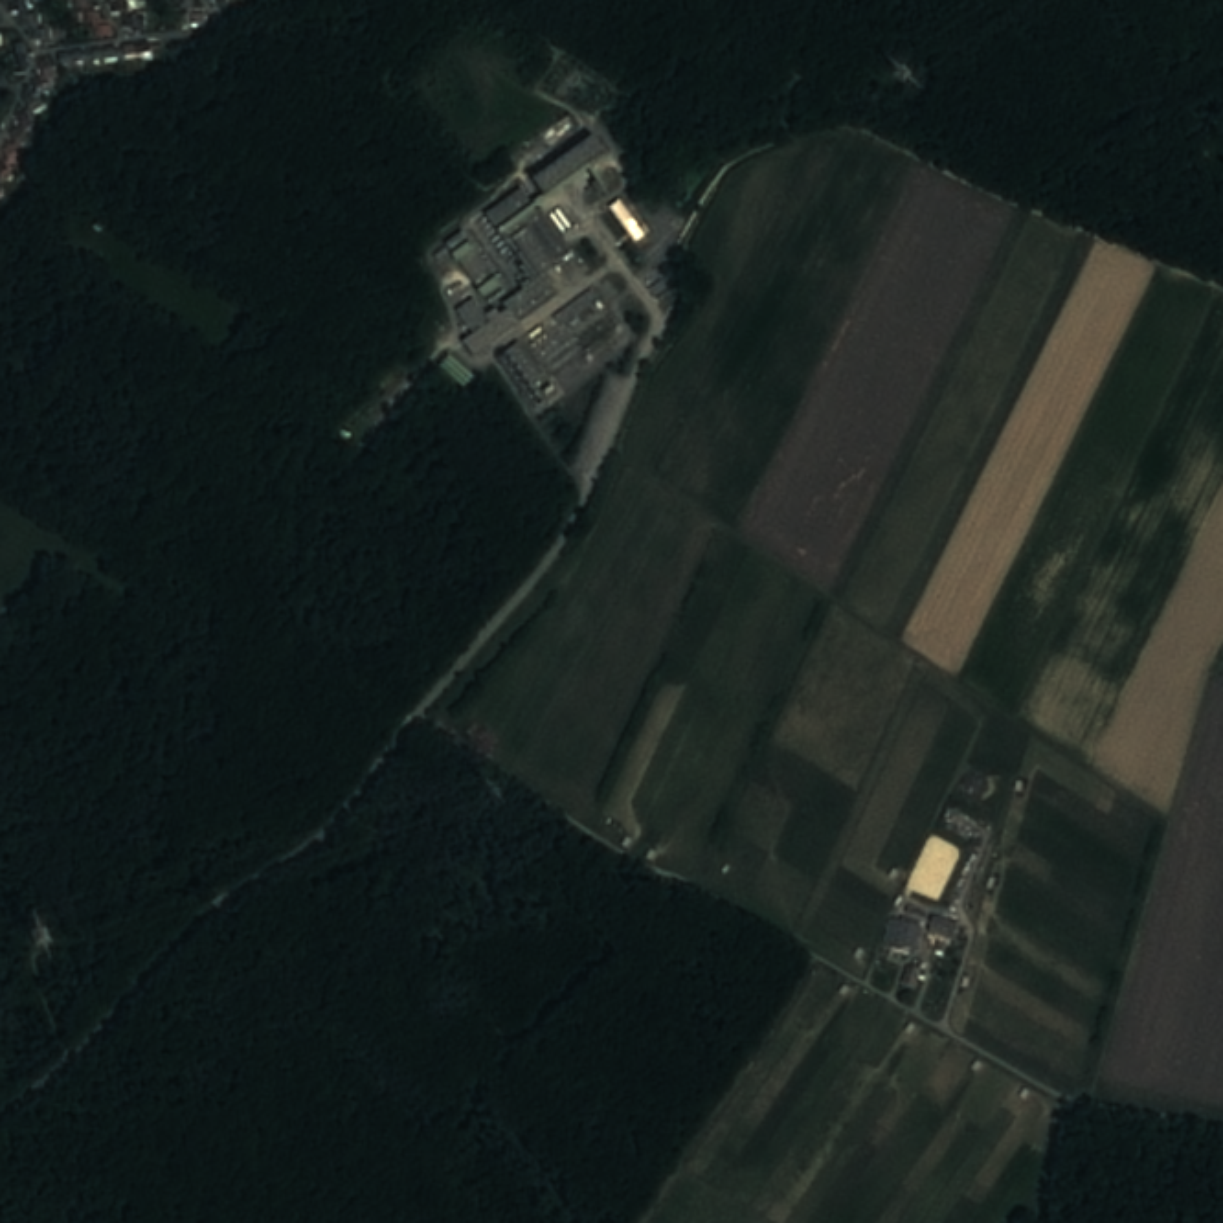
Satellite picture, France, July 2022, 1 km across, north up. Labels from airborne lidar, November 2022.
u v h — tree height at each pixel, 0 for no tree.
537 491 21
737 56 24
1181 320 0
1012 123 26
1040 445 0
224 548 26
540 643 0
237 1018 23
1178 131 28
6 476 26
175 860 20
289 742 25
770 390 0
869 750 0
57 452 20
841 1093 0
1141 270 0
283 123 30
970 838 0
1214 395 0
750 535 0
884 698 0
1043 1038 0
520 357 0
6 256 7
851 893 0
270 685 24
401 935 26
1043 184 22
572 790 0
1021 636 0
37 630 26
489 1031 23
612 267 0
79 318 16
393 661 21
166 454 26
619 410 0
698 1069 29
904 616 0
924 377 0
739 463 0
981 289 0
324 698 25
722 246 0
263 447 22
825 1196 0
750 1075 0
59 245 16
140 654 20
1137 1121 19
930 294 0
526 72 7
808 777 0
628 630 0
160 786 21
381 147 24
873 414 0
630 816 0
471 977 10
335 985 25
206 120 26
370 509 20
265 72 29
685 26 25
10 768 19
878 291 0
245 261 25
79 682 21
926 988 0
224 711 24
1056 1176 21
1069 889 0
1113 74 28
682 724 0
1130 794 0
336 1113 25
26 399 26
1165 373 0
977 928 0
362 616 20
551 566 0
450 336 0
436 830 22
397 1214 32
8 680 22
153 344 27
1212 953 0
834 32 22
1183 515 0
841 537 0
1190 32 27
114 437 20
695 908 25
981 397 0
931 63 20
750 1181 0
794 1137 0
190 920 16
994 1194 0
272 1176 27
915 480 0
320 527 24
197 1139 29
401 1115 26
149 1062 25
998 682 0
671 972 30
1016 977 0
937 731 0
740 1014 30
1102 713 0
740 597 0
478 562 14
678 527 0
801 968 20
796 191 0
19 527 0
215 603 21
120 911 24
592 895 24
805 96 19
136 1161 26
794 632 0
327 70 23
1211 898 0
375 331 21
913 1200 0
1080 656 0
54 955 12
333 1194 27
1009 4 23
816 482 0
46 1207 23
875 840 0
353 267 23
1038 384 0
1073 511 0
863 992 0
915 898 0
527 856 23
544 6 16
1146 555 0
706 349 0
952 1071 0
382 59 21
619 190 0
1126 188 28
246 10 19
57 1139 21
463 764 22
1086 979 0
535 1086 25
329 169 26
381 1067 21
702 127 16
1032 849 0
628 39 13
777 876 0
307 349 25
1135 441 0
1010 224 0
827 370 0
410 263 21
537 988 11
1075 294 0
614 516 0
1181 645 0
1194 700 0
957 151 22
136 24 0
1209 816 0
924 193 0
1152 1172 24
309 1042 25
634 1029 28
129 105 24
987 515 0
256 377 23
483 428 27
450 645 22
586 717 0
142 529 24
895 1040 0
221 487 26
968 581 0
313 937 27
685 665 0
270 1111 25
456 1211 27
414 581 22
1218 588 0
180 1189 26
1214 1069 0
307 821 9
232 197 24
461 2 9
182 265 16
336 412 22
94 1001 20
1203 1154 26
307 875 22
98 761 22
